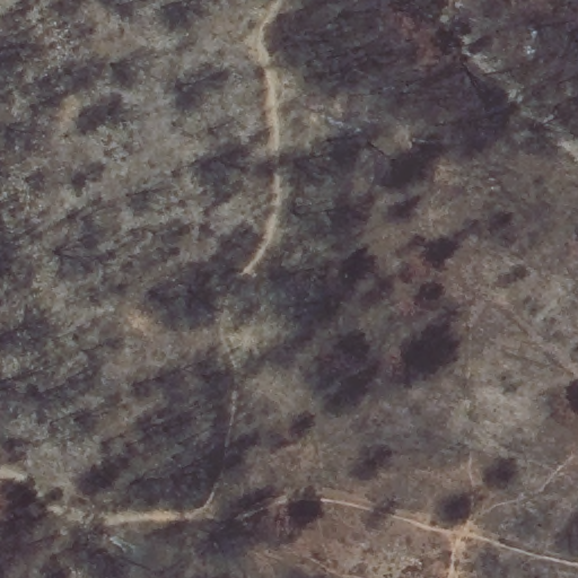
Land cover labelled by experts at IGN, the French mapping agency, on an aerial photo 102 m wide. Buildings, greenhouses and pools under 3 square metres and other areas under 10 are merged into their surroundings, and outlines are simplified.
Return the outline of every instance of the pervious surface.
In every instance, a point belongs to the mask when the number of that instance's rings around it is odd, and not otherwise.
[[[278,14],[300,9],[303,0],[271,0],[266,9],[251,9],[253,18],[257,20],[257,27],[246,38],[246,45],[251,47],[248,54],[260,65],[269,63],[271,56],[264,43],[266,27],[273,23]]]
[[[280,154],[282,122],[280,104],[275,97],[278,72],[271,70],[264,77],[269,126],[271,151]]]
[[[129,510],[108,513],[104,519],[106,526],[138,522],[214,519],[217,503],[212,494],[208,497],[203,506],[192,510]]]
[[[330,497],[325,497],[321,503],[373,510],[370,501],[361,494],[345,494],[332,490]]]
[[[282,214],[282,203],[287,201],[291,187],[282,185],[282,176],[275,174],[273,181],[269,176],[244,176],[242,192],[212,212],[210,228],[224,235],[233,233],[233,228],[239,224],[246,224],[262,235],[257,251],[244,264],[242,271],[244,275],[253,275],[264,255],[269,253],[269,248],[273,246],[275,228]]]
[[[454,569],[454,560],[465,558],[463,551],[467,537],[492,546],[499,560],[522,555],[528,560],[578,567],[578,560],[569,560],[558,553],[544,555],[501,544],[497,535],[481,531],[470,519],[454,528],[447,528],[434,526],[431,515],[415,513],[411,519],[411,528],[438,533],[449,544],[452,555],[445,578],[461,578],[463,571]]]

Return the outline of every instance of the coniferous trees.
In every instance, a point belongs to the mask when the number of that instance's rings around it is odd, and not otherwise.
[[[235,117],[235,131],[242,145],[255,131],[269,126],[264,77],[255,79],[255,68],[260,65],[248,54],[251,47],[246,45],[246,38],[257,27],[257,20],[253,18],[251,9],[266,9],[271,0],[0,0],[0,578],[5,578],[5,573],[20,558],[36,555],[38,551],[54,544],[59,533],[34,540],[34,528],[50,515],[50,506],[54,503],[63,506],[61,517],[68,519],[75,510],[70,501],[77,488],[86,494],[108,490],[113,499],[122,499],[122,503],[129,510],[192,510],[203,506],[208,497],[201,490],[192,490],[187,485],[154,485],[151,490],[145,490],[138,499],[138,488],[133,479],[172,476],[194,458],[212,454],[217,445],[226,443],[230,393],[235,388],[233,368],[239,368],[244,364],[248,350],[230,343],[230,334],[235,334],[233,316],[228,312],[217,314],[217,298],[237,296],[242,291],[239,287],[233,287],[233,278],[242,271],[244,264],[257,251],[262,235],[246,224],[239,224],[233,228],[233,233],[224,235],[217,253],[210,260],[183,264],[178,257],[181,239],[190,235],[187,224],[201,224],[203,208],[212,203],[214,196],[212,185],[199,185],[192,160],[205,156],[208,126],[219,122],[221,117]]]
[[[578,0],[303,0],[300,9],[278,14],[273,23],[266,27],[264,43],[271,56],[275,52],[282,52],[284,63],[289,63],[291,59],[298,59],[300,50],[307,52],[303,81],[318,84],[323,97],[334,99],[343,93],[343,88],[361,86],[368,88],[370,95],[388,99],[391,111],[411,111],[413,106],[427,124],[420,133],[411,135],[411,145],[424,145],[429,133],[440,135],[445,154],[438,163],[458,165],[494,147],[508,131],[510,115],[519,113],[522,108],[533,108],[542,115],[553,115],[567,129],[567,133],[573,140],[578,140]]]

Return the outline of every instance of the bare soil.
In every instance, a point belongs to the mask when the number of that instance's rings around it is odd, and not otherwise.
[[[528,560],[522,555],[499,560],[492,546],[467,537],[463,551],[465,558],[454,560],[454,569],[463,571],[461,578],[578,578],[578,567]]]
[[[569,560],[578,560],[578,140],[573,140],[567,133],[567,129],[553,115],[542,115],[533,108],[522,108],[519,113],[510,115],[508,131],[494,147],[458,165],[438,163],[445,154],[440,135],[429,133],[424,145],[411,145],[411,135],[420,133],[427,124],[413,106],[411,111],[391,111],[388,99],[370,95],[368,88],[361,86],[343,88],[343,93],[334,99],[323,97],[318,84],[303,81],[307,52],[300,50],[298,59],[291,59],[289,63],[284,63],[282,52],[275,52],[271,56],[269,63],[260,65],[255,68],[255,79],[264,77],[271,70],[278,72],[275,97],[280,104],[282,122],[280,154],[271,151],[269,126],[255,131],[242,145],[235,131],[235,117],[221,117],[219,122],[208,126],[205,156],[192,160],[199,185],[212,185],[214,196],[212,203],[203,208],[201,224],[187,224],[190,235],[181,239],[178,257],[183,264],[210,260],[217,253],[224,235],[210,228],[212,212],[242,192],[244,176],[269,176],[273,181],[275,174],[282,176],[282,185],[291,187],[287,201],[282,203],[282,214],[275,228],[273,246],[269,248],[269,253],[264,255],[253,275],[244,275],[242,271],[233,278],[233,287],[239,287],[242,291],[237,296],[217,298],[217,314],[228,312],[233,316],[235,334],[230,334],[230,343],[248,350],[244,364],[239,368],[233,368],[235,388],[230,393],[226,443],[217,445],[212,454],[194,458],[172,476],[133,479],[138,488],[138,499],[145,490],[151,490],[154,485],[187,485],[192,490],[201,490],[208,497],[212,494],[217,503],[214,519],[138,522],[106,526],[104,519],[108,513],[129,510],[122,503],[122,499],[113,499],[108,490],[86,494],[77,488],[70,501],[75,510],[68,519],[61,517],[63,506],[54,503],[50,506],[50,515],[34,528],[34,540],[59,533],[54,544],[38,551],[36,555],[20,558],[5,573],[5,578],[445,578],[452,555],[449,544],[438,533],[411,528],[411,519],[415,513],[431,515],[434,526],[447,528],[454,528],[470,519],[481,531],[497,535],[501,544],[544,555],[558,553]],[[345,494],[361,494],[370,501],[373,510],[321,503],[325,497],[330,497],[332,490]]]

